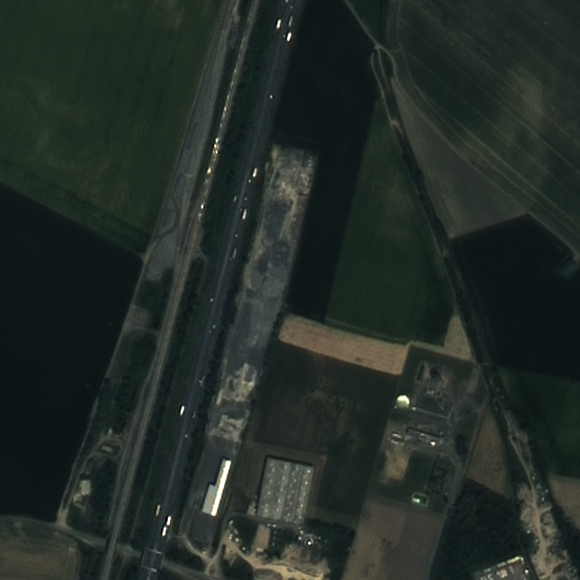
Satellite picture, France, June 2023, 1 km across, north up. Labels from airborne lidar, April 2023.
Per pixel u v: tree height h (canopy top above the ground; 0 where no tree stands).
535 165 0
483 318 0
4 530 0
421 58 0
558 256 0
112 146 0
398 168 0
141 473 9
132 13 0
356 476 0
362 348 0
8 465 0
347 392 0
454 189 0
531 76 0
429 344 0
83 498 0
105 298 0
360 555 0
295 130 0
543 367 0
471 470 0
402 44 0
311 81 0
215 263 0
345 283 0
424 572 0
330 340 0
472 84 0
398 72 0
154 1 0
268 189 0
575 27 0
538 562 0
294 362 0
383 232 0
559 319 0
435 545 0
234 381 0
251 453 0
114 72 0
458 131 0
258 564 0
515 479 7
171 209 0
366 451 0
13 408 0
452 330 0
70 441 0
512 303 0
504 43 0
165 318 0
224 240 0
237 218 0
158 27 0
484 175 0
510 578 0
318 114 0
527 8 0
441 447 0
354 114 0
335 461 0
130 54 0
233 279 0
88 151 0
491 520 0
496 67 0
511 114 0
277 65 0
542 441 0
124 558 0
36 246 0
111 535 0
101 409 7
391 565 0
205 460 0
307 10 0
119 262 0
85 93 0
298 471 0
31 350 0
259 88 0
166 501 0
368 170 0
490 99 0
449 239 0
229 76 0
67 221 0
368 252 0
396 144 0
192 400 0
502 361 0
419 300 0
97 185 0
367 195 0
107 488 12
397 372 0
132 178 0
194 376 0
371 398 0
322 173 0
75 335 0
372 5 0
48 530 0
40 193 0
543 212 0
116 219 0
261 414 0
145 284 0
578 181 0
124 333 0
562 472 0
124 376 8
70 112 0
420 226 0
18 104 0
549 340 0
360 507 0
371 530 0
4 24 0
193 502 0
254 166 0
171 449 0
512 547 9
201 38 0
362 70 0
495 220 0
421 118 0
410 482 0
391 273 0
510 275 0
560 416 0
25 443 0
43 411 0
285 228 0
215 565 0
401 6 0
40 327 0
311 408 0
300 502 0
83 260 0
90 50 0
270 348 11
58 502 0
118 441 0
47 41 0
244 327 0
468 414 0
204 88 0
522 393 0
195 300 7
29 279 0
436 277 0
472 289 0
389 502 0
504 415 0
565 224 0
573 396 0
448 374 0
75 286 0
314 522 8
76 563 0
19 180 0
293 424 0
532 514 0
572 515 0
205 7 0
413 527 0
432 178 0
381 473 0
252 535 0
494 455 0
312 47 0
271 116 0
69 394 0
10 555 0
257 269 0
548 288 0
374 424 0
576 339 0
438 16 0
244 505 0
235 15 0
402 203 0
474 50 0
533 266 0
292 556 0
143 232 0
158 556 0
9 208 0
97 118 0
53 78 0
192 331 0
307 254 0
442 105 0
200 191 0
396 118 0
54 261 0
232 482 0
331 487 0
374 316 0
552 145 0
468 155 0
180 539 0
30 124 0
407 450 0
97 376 0
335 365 0
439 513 0
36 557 0
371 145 0
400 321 0
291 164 0
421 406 0
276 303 0
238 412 0
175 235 0
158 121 0
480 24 0
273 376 0
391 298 0
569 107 0
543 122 0
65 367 0
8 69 0
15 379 0
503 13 0
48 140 0
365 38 0
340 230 0
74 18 0
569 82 0
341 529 10
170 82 0
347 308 0
